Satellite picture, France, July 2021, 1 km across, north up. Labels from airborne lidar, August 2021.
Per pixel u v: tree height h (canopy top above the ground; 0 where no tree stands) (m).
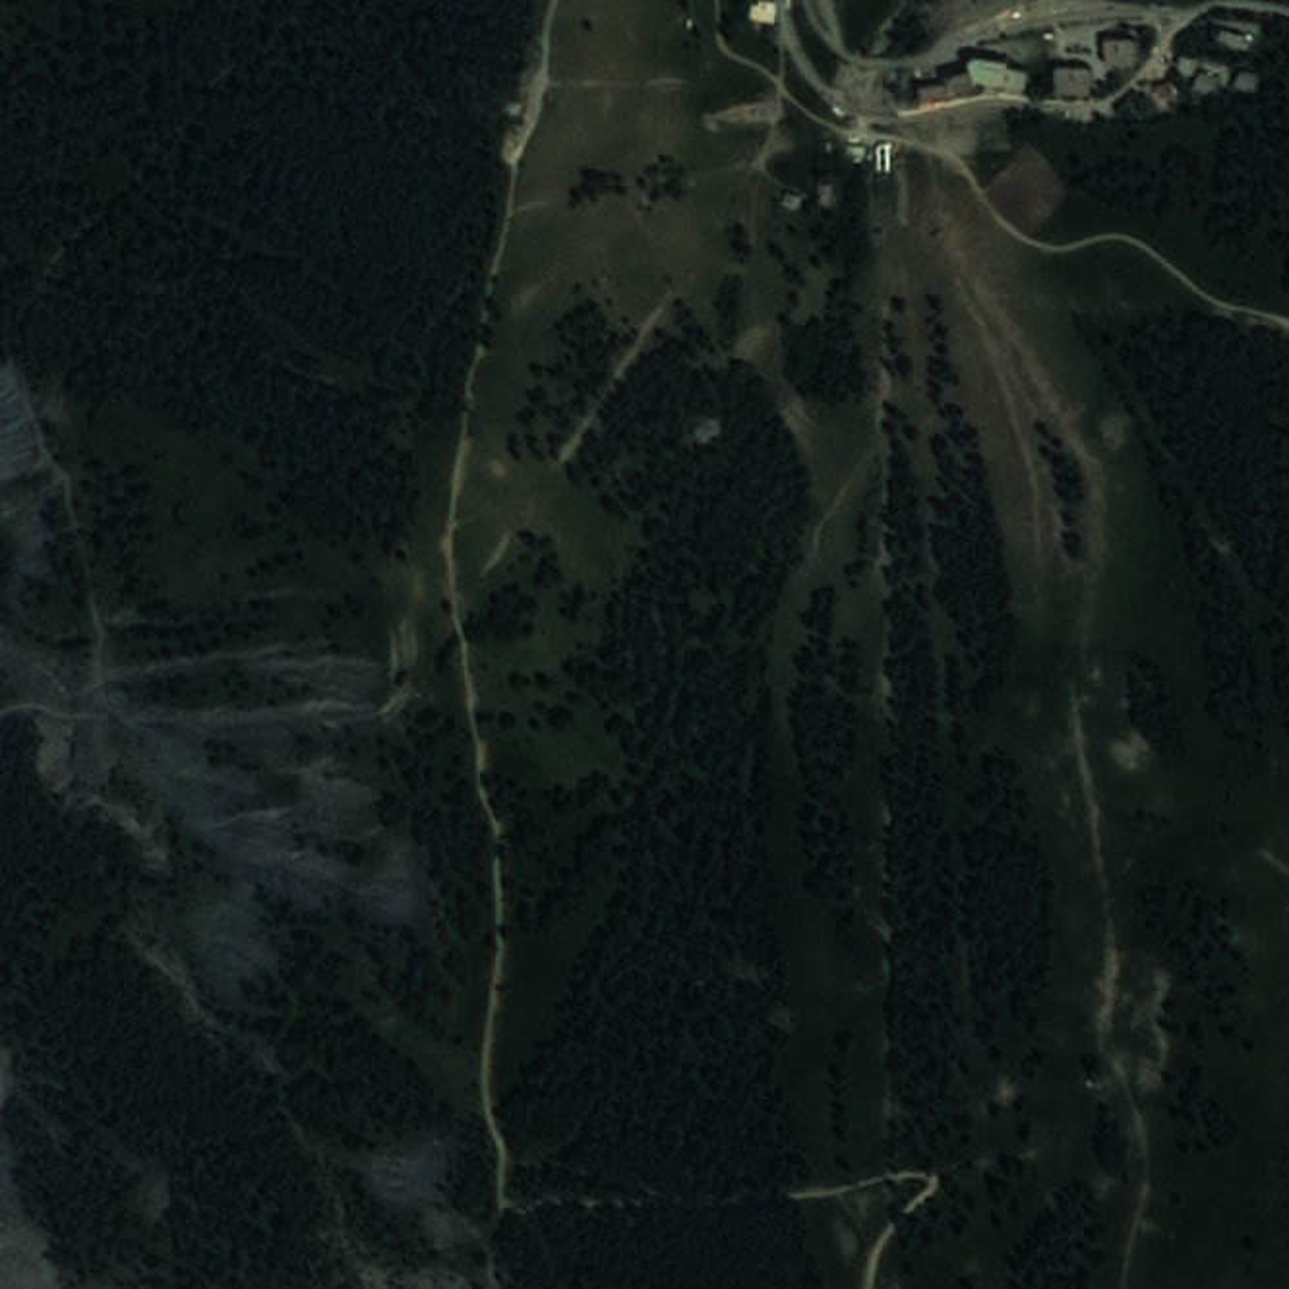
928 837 15
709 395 23
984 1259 0
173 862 7
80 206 16
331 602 0
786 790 0
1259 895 0
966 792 0
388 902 0
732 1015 18
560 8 0
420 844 10
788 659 0
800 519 11
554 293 0
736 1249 28
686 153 0
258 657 0
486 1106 0
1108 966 0
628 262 0
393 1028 0
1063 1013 0
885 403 0
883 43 0
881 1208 0
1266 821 0
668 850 24
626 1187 15
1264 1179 0
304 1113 23
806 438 0
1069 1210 21
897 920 19
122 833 11
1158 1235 0
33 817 20
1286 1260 0
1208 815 0
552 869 17
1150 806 0
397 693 0
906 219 0
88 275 16
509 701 0
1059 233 0
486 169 12
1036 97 11
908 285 0
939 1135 8
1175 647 0
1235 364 13
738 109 0
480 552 0
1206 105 11
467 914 20
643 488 12
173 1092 18
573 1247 23
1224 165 18
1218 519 13
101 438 0
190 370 16
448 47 18
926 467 0
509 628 18
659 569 8
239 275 26
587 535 0
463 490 0
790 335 8
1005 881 20
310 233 18
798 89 0
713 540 17
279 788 0
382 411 17
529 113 0
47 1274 0
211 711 0
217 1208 18
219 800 0
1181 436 10
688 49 7
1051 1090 0
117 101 18
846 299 8
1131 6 0
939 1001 12
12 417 0
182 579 0
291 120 20
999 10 0
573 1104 24
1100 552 0
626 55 0
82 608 14
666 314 0
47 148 13
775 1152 13
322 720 0
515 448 14
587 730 0
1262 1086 0
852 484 0
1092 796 0
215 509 0
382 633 0
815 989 0
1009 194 0
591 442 16
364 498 14
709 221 0
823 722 15
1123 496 0
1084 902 0
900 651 15
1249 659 7
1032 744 0
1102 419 0
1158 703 7
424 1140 0
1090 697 0
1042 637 0
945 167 0
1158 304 0
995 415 0
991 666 17
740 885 12
